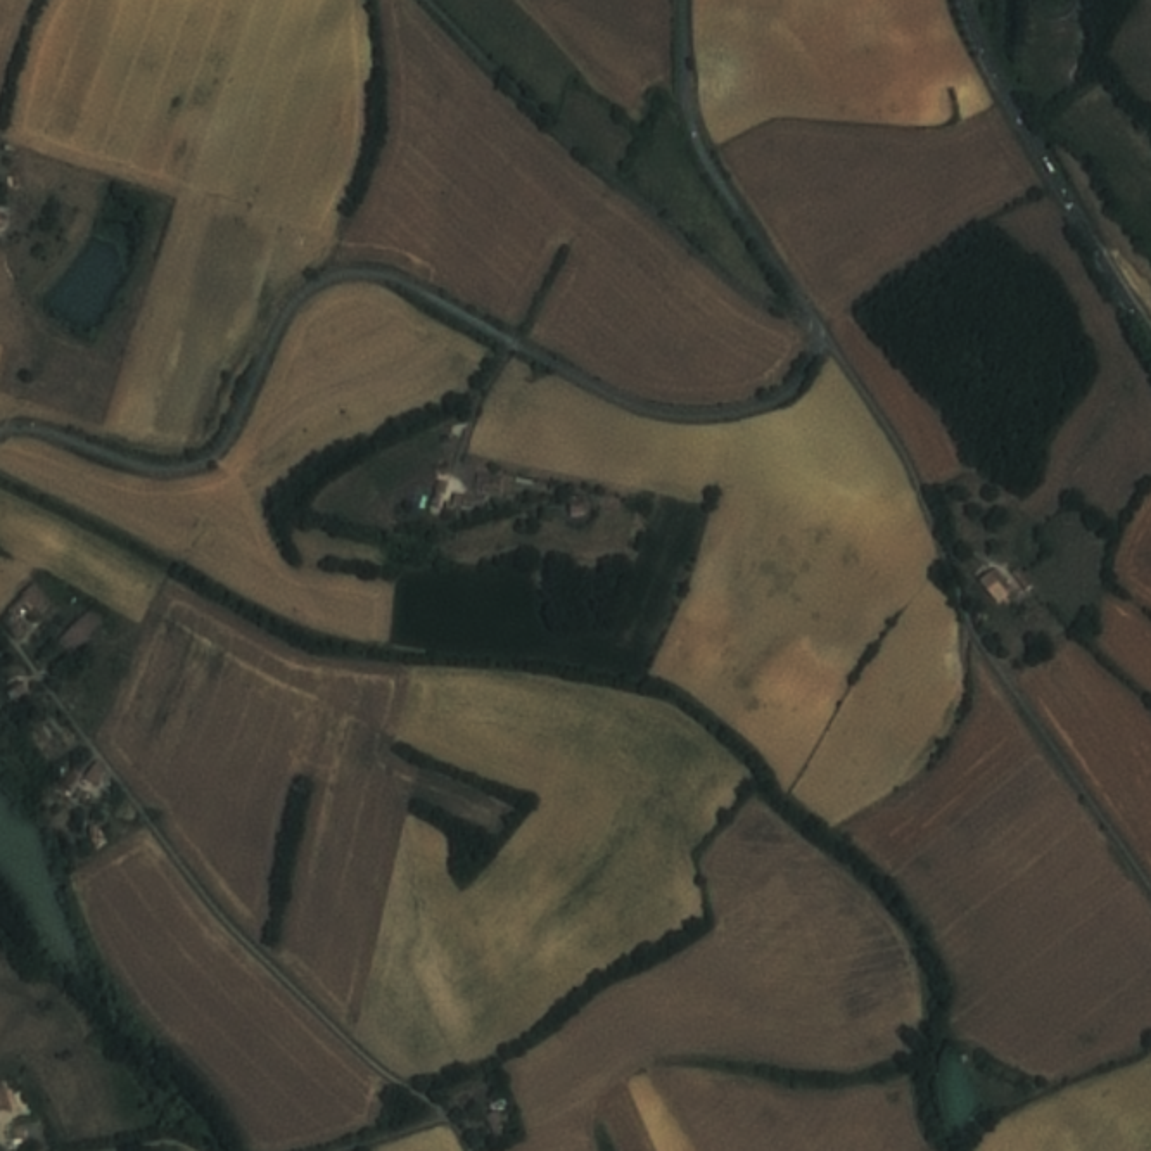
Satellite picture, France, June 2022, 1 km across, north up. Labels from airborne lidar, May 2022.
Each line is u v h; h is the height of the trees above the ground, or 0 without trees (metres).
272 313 0
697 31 0
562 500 12
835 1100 0
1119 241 0
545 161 0
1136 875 0
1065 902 0
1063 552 0
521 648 0
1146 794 0
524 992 0
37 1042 0
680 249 0
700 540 0
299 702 0
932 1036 26
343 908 0
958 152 0
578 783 0
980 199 0
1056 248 0
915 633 0
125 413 0
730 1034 0
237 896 0
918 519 0
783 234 0
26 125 0
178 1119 12
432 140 0
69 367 0
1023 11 27
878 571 0
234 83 0
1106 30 18
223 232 0
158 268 0
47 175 0
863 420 0
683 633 0
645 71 0
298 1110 0
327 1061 0
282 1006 0
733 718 0
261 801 0
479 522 7
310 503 8
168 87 0
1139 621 0
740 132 0
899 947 0
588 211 0
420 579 0
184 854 0
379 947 0
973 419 16
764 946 0
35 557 0
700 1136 0
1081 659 0
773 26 0
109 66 0
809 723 0
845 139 0
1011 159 0
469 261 0
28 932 19
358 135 0
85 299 0
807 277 0
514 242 0
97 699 0
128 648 0
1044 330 19
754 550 0
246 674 0
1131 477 0
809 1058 0
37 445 0
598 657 0
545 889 0
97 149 0
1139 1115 0
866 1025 0
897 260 0
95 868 0
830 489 0
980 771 0
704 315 0
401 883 0
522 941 0
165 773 0
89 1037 7
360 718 0
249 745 0
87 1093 0
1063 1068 0
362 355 0
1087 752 0
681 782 0
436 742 0
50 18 0
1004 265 16
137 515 0
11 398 0
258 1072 0
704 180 7
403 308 0
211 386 0
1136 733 0
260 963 0
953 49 0
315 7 0
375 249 0
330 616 0
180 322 0
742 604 0
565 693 0
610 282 0
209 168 0
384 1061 0
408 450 0
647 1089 0
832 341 0
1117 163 0
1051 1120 0
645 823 0
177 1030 0
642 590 0
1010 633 0
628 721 0
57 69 0
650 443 0
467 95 0
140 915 0
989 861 0
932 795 0
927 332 19
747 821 0
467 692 0
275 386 0
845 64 0
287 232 0
